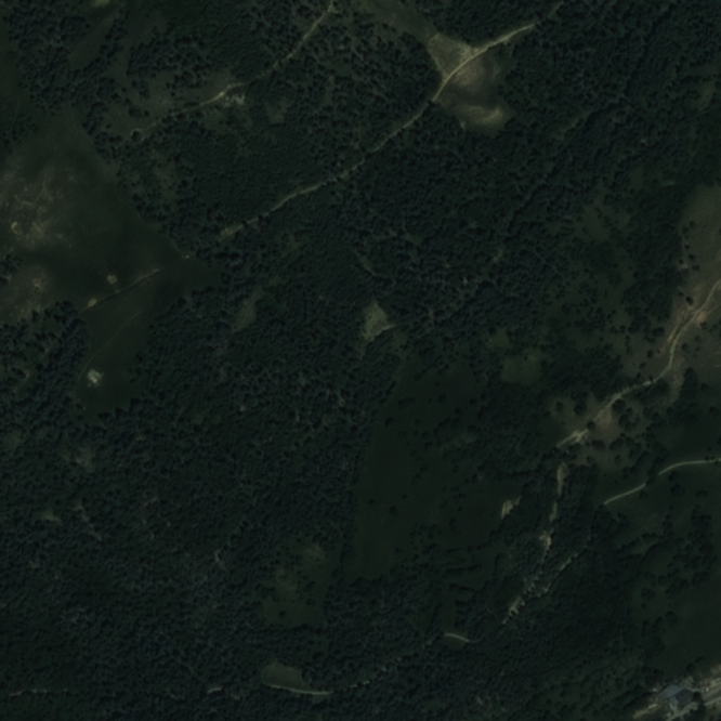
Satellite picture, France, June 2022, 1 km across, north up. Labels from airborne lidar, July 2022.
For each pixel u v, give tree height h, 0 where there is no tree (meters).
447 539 0
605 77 9
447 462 13
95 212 0
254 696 18
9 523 15
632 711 15
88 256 0
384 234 17
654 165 23
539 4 27
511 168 9
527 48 20
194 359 16
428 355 16
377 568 0
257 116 10
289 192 12
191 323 14
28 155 0
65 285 0
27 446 14
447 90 0
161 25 0
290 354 15
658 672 20
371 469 0
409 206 29
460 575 15
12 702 18
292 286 10
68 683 17
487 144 18
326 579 0
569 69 13
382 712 15
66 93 22
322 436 16
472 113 0
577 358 7
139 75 12
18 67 7
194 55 13
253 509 28
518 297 11
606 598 14
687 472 0
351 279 15
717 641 0
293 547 0
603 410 0
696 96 14
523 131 15
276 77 17
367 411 19
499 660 12
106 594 21
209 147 14
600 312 13
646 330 9
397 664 17
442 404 12
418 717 22
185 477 15
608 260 7
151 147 24
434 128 18
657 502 0
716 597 0
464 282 28
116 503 15
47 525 13
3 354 21
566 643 24
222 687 11
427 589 10
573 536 13
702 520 15
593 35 19
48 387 25
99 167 0
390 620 17
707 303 0
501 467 17
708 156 11
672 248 23
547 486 23
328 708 24
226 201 14
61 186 0
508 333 8
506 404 19
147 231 0
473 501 0
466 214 13
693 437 0
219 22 10
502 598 21
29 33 24
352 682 9
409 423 0
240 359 12
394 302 11
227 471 11
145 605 17
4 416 17
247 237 8
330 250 13
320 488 22
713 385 0
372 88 28
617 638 18
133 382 10
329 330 12
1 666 16
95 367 0
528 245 18
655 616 0
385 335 8
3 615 13
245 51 13
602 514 18
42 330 8
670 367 0
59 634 17
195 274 0
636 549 14
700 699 23
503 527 13
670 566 10
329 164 13
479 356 21
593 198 12
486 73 0
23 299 0
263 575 15
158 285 0
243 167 13
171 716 15
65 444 7
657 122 6
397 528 0
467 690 17
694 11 14
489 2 12
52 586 21
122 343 0
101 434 24
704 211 0
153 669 13
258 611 14
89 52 0
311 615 0
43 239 0
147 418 24
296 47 31
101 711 27
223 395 15
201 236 16
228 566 21
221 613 10
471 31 13
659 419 15
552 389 9
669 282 22
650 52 29
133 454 16
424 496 0
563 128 8
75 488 17
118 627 26
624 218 0
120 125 0
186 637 12
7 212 0
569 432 0
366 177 12
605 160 19
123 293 0
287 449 7
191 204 22
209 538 27
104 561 11
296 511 16
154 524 14
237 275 25
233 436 11
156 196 14
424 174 18
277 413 9
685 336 0
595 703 15
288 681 0
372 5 0
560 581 15
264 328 12
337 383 12
